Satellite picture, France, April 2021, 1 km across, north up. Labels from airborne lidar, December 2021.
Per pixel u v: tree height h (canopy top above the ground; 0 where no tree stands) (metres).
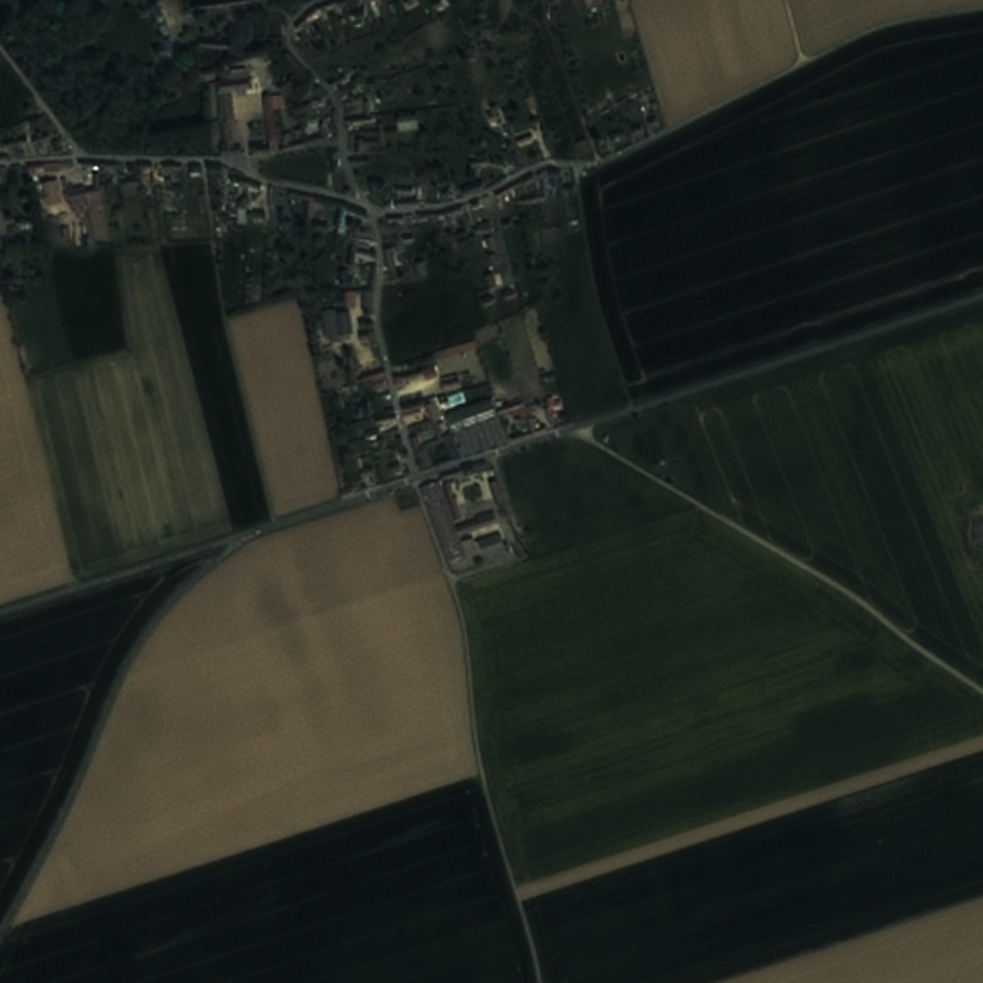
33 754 0
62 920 0
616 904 0
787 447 0
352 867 0
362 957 0
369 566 0
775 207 0
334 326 0
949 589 0
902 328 0
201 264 0
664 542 0
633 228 0
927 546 0
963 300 0
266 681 0
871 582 0
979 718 0
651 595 0
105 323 0
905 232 0
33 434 0
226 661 0
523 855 0
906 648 0
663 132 0
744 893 0
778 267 0
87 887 0
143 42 0
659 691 0
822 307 0
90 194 0
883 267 0
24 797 0
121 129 18
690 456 0
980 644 0
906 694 0
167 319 0
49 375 0
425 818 0
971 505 0
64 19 21
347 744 0
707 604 0
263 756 0
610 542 0
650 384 0
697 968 0
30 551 0
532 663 0
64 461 0
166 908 0
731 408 0
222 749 0
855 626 0
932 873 0
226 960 0
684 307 0
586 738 0
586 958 0
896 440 0
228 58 16
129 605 0
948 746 0
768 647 0
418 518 0
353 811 0
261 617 0
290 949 0
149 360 0
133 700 0
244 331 0
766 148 0
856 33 0
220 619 0
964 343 0
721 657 0
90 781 0
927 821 0
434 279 0
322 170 0
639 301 0
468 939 0
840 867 0
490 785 0
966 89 0
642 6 0
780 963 0
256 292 0
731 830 0
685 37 0
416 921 0
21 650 0
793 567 0
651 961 0
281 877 0
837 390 0
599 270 0
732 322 0
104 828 0
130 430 0
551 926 0
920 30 0
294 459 0
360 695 0
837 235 0
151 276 0
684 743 0
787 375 0
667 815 0
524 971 0
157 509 0
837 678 0
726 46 0
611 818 0
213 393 0
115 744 0
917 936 0
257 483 0
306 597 0
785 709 0
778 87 0
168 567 0
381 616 0
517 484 0
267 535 0
